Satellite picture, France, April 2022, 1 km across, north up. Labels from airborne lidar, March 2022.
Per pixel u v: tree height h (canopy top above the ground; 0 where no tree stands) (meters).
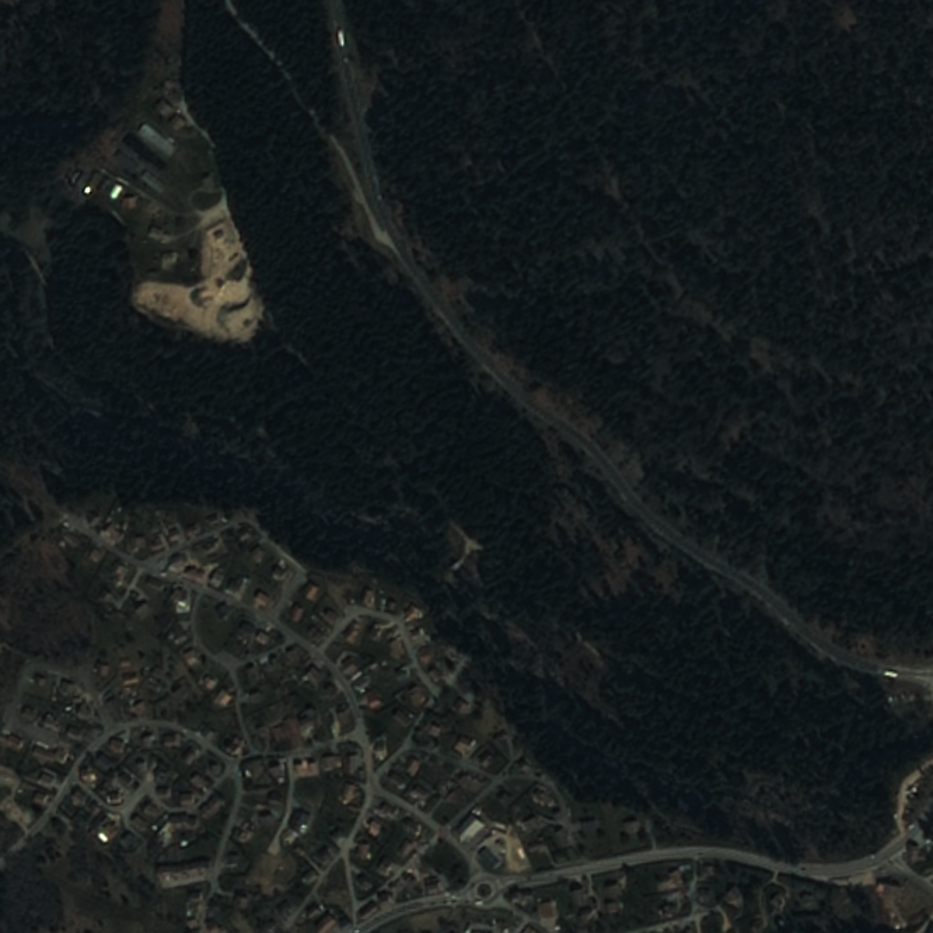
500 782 0
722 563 0
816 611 25
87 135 25
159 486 17
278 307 23
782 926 0
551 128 27
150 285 0
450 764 0
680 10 20
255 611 0
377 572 20
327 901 0
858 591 29
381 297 36
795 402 11
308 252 29
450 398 36
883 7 29
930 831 19
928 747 26
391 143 27
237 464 12
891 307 12
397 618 0
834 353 23
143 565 0
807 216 28
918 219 25
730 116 28
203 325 0
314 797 0
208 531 0
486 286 17
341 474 28
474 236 25
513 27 31
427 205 28
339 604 0
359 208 0
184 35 0
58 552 0
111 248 9
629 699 35
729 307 17
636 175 20
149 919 0
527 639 0
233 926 0
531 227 32
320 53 31
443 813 0
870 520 24
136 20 32
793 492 32
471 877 0
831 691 20
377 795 0
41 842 8
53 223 15
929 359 27
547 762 19
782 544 28
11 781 0
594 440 11
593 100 27
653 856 0
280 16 32
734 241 30
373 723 0
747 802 23
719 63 21
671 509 10
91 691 0
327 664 0
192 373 37
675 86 21
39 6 10
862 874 0
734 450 18
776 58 28
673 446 23
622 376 13
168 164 0
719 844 0
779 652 36
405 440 15
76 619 0
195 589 0
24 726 0
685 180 15
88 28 23
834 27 24
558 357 24
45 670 0
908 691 0
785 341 26
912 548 18
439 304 0
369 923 0
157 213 0
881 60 31
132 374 27
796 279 31
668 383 27
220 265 0
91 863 0
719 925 0
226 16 29
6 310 27
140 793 0
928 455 39
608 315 9
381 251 0
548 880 0
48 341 24
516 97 27
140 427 43
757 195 26
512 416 28
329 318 32
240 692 0
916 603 25
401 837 0
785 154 25
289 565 0
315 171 10
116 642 0
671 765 14
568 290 21
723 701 21
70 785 0
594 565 36
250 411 18
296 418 29
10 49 29
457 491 27
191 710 10
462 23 31
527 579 29
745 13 17
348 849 0
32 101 16
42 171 24
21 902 11
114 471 20
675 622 34
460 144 24
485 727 0
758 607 8
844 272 9
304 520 35
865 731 32
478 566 0
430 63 8
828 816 29
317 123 17
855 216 33
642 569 10
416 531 10
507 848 0
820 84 31
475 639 21
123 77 34
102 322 20
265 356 27
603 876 0
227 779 0
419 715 0
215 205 0
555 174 14
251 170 30
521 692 30
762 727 33
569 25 22
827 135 29
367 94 0
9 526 28
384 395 37
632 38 32
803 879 6
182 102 0
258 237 25
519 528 25
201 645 0
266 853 0
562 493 17
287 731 0
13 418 26
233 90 30
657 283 8
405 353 33
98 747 0
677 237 14
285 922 0
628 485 0
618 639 25
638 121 29
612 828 0
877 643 27
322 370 30
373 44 19
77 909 0
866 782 31
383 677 0
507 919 0
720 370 16
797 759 35
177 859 0
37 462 23
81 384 21
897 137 26
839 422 36
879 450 33
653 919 0
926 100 26
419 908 0
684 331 10
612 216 24
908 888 0
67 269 24
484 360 0
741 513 38
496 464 29
